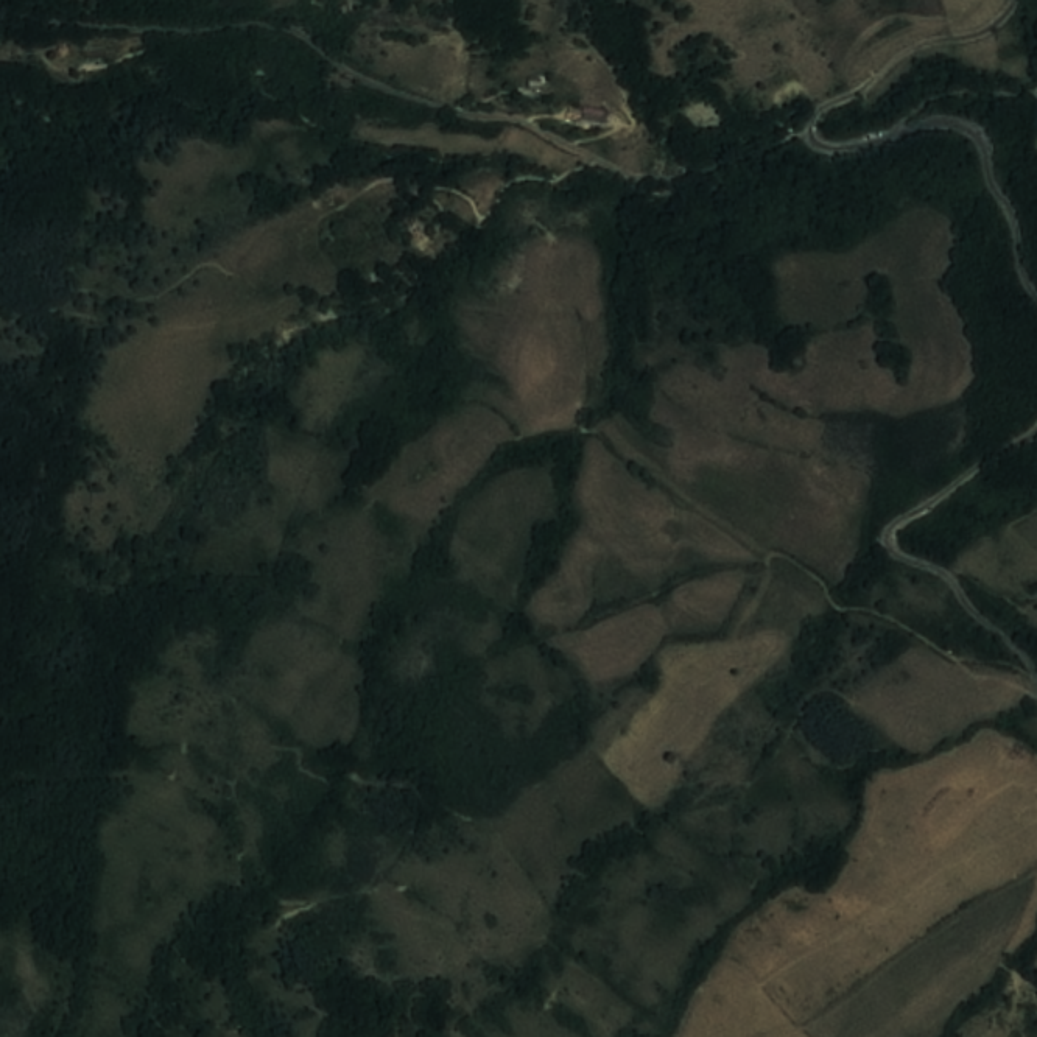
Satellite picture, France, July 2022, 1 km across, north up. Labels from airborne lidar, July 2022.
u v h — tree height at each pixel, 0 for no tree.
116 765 14
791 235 7
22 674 14
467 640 0
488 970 8
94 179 13
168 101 17
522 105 6
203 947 10
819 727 13
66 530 7
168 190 0
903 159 12
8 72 18
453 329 9
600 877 8
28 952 0
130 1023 15
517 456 6
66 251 15
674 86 18
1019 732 6
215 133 13
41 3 8
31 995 0
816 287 0
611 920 0
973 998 10
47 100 12
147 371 0
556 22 0
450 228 14
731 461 0
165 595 16
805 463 0
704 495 0
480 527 0
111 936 0
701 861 0
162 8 10
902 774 0
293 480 0
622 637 0
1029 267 13
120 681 17
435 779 8
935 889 0
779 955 0
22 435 15
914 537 13
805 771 0
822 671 9
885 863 0
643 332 7
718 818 0
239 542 0
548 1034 0
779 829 0
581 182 10
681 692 0
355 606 0
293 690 0
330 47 13
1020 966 9
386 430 14
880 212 6
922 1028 0
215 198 0
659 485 12
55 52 9
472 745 9
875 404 0
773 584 0
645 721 0
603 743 0
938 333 0
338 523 0
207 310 0
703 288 10
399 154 10
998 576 0
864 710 0
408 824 8
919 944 0
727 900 0
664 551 0
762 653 0
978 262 10
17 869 11
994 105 16
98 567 9
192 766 0
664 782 0
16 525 13
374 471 14
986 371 11
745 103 10
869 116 13
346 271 10
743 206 7
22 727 12
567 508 12
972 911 0
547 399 0
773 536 0
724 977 0
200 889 0
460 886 0
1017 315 15
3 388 14
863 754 6
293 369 11
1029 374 15
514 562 0
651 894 11
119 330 10
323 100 11
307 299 11
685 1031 0
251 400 7
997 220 9
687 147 22
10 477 15
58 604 16
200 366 0
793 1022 0
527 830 0
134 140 16
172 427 0
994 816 0
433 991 10
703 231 7
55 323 12
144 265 14
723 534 0
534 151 0
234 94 12
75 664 9
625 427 0
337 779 13
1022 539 0
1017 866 0
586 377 0
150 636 8
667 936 0
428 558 10
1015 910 0
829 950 0
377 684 14
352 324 12
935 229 0
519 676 0
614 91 0
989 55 0
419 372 14
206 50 13
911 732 0
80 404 15
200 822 0
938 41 0
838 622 7
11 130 16
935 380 0
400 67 0
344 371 0
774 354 10
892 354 11
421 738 12
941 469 8
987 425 16
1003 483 17
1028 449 19
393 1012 11
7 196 16
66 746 7
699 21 0
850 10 0
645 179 11
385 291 13
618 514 0
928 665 0
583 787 0
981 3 0
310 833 12
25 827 13
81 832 11
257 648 0
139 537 13
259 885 9
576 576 0
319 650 0
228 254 0
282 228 0
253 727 0
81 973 13
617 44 16
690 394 0
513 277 0
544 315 0
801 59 0
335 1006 14
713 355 8
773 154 17
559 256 0
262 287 0
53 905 12
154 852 0
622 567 0
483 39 14
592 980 0
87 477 14
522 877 0
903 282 0
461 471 0
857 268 0
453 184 9
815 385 0
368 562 0
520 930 0
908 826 0
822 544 0
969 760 0
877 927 0
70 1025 16
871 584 15
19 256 15
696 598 0
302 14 6
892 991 0
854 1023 0
